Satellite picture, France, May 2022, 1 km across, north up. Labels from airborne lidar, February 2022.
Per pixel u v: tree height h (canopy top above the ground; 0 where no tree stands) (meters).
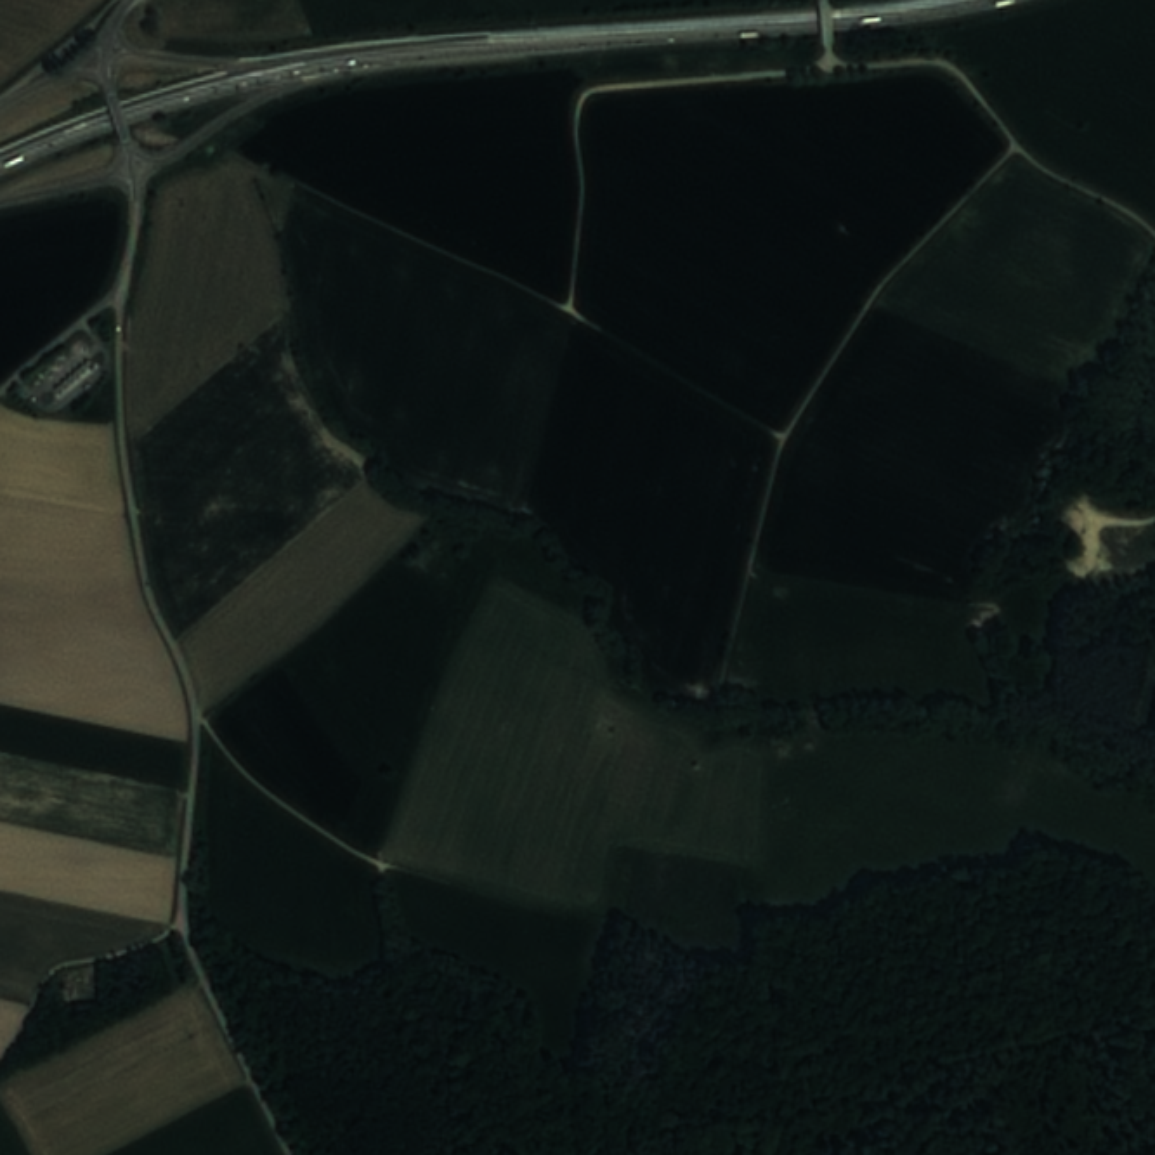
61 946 0
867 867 0
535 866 0
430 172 0
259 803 0
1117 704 21
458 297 0
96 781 0
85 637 0
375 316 0
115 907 0
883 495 0
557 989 0
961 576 0
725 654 11
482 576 0
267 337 0
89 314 0
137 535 0
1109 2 0
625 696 0
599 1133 26
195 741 0
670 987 28
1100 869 27
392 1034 14
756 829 0
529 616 0
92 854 0
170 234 0
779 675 0
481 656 0
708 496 0
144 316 0
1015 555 21
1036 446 0
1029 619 0
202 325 0
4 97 0
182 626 0
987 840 0
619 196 0
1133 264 0
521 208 0
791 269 0
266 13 0
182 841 0
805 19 0
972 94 0
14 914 0
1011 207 0
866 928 24
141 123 0
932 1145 34
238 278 0
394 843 0
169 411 0
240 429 0
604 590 15
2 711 0
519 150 0
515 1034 24
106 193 0
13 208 0
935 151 0
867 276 0
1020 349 0
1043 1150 11
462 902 0
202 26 0
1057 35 0
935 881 21
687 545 0
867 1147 33
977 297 0
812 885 0
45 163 0
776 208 0
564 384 0
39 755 0
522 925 0
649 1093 27
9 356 0
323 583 0
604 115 0
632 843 0
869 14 0
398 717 0
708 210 0
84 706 0
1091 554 0
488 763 0
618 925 20
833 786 0
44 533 0
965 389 0
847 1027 28
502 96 0
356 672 0
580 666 0
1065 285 0
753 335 0
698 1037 27
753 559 0
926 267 0
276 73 0
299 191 0
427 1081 13
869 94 0
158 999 7
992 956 23
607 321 0
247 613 0
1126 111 0
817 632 0
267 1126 0
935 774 0
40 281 0
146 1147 0
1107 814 0
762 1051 27
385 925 12
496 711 0
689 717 17
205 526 0
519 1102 30
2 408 0
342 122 0
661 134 0
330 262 0
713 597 0
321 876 0
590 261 0
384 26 0
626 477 0
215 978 17
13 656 0
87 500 0
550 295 0
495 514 14
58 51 0
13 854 0
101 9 0
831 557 0
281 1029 15
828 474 0
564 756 0
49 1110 0
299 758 0
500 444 0
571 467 0
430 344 0
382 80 0
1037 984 26
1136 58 0
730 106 0
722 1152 31
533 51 0
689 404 0
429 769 0
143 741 0
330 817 0
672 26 0
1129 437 13
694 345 0
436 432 0
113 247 0
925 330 0
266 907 0
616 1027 24
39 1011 10
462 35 0
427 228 0
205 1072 0
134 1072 0
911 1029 25
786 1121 31
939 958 23
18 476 0
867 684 0
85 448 0
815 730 0
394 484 19
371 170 0
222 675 0
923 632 0
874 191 0
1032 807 0
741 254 0
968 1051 26
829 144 0
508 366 0
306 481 0
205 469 0
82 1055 0
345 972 0
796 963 25
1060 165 0
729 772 0
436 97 0
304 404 0
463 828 0
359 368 0
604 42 0
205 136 0
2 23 0
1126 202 0
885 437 0
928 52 11
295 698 0
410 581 0
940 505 0
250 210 0
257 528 0
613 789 0
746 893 0
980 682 0
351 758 0
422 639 0
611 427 0
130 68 0
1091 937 27
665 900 0
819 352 0
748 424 0
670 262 0
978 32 0
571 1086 25
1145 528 0
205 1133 0
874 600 0
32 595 0
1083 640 11
